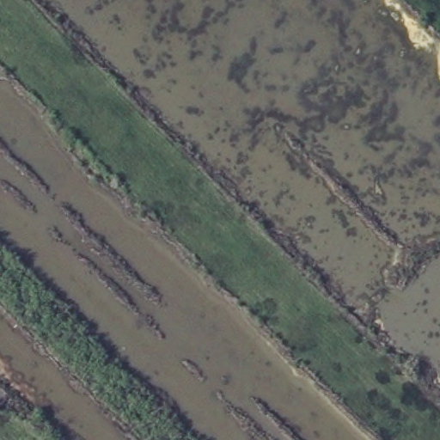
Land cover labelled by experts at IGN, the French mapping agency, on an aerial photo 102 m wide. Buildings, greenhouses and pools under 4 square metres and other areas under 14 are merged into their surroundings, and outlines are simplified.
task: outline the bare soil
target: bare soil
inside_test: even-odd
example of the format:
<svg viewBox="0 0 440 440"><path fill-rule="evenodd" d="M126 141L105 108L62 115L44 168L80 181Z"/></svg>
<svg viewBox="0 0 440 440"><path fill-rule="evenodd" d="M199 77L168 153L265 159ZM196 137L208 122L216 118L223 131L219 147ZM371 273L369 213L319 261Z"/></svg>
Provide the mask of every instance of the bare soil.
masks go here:
<svg viewBox="0 0 440 440"><path fill-rule="evenodd" d="M48 399L48 395L41 392L34 383L34 376L26 378L24 371L12 368L9 371L5 363L0 364L0 375L9 380L10 387L19 390L31 402L29 407L33 411L40 411L43 406L52 406L52 400Z"/></svg>
<svg viewBox="0 0 440 440"><path fill-rule="evenodd" d="M162 112L155 105L148 103L153 98L151 89L132 84L132 72L122 76L108 60L100 65L117 79L122 88L129 89L137 107L148 113L158 124L162 120Z"/></svg>
<svg viewBox="0 0 440 440"><path fill-rule="evenodd" d="M395 7L392 10L392 19L404 21L406 24L412 45L426 46L437 43L440 46L440 40L430 36L426 33L425 27L419 26L418 21L409 17L406 7L399 0L385 0L388 7Z"/></svg>

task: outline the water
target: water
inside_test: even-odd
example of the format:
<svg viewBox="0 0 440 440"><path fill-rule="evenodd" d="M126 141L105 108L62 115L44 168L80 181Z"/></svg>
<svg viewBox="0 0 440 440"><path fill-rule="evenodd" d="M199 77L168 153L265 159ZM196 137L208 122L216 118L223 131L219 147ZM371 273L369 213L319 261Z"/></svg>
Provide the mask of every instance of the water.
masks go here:
<svg viewBox="0 0 440 440"><path fill-rule="evenodd" d="M24 337L21 330L15 328L0 311L0 364L5 363L9 371L12 368L24 371L26 378L34 376L34 383L41 392L48 395L48 399L52 400L52 406L43 406L40 411L41 416L52 428L53 438L57 440L131 440L125 437L112 419L108 419L101 412L100 407L96 406L88 394L77 390L43 352L34 347L33 340Z"/></svg>
<svg viewBox="0 0 440 440"><path fill-rule="evenodd" d="M139 222L132 213L125 211L115 192L108 191L107 187L91 184L74 167L70 156L46 127L45 120L38 110L26 98L17 95L17 91L9 82L0 79L0 148L7 151L12 160L38 179L38 184L31 186L0 156L0 180L14 187L15 191L24 192L29 201L38 206L38 213L31 213L15 205L9 194L0 191L0 247L5 247L15 260L33 273L33 277L40 282L43 289L69 304L70 313L84 327L86 335L93 337L96 344L100 345L105 364L112 364L115 368L124 370L127 375L134 376L137 382L150 388L151 402L155 406L168 407L168 418L172 419L172 426L179 431L182 430L180 440L249 440L241 426L227 414L232 407L241 412L244 418L249 419L254 428L268 440L368 440L313 388L304 376L294 375L289 364L285 363L284 357L280 357L272 345L266 342L265 337L254 330L251 323L244 320L244 316L225 297L217 294L210 285L206 285L198 273L192 272L174 247L153 234L146 223ZM158 296L158 302L151 304L144 299L139 290L125 284L124 280L120 280L120 284L124 285L136 299L136 302L132 302L131 308L136 313L150 316L162 333L160 337L155 337L148 328L144 328L131 311L125 311L119 302L110 296L110 292L82 268L82 260L86 260L93 268L103 266L103 270L107 270L112 277L115 277L115 273L100 256L96 256L82 242L76 230L72 229L64 217L55 210L55 206L60 203L69 210L69 215L76 215L81 227L88 230L101 246L107 247L108 251L120 260L125 270L137 278L137 282L148 285L155 292L155 296Z"/></svg>
<svg viewBox="0 0 440 440"><path fill-rule="evenodd" d="M390 345L394 345L400 354L409 352L409 359L418 361L421 356L428 357L433 370L437 371L435 382L440 383L440 247L431 256L430 263L421 265L419 272L412 270L414 261L407 249L423 246L433 239L440 241L440 46L437 43L426 46L412 45L406 24L404 21L392 19L392 10L395 7L388 7L385 0L50 0L50 3L57 2L65 14L81 27L89 40L95 43L98 48L95 55L100 65L108 60L122 76L132 72L132 84L151 89L153 98L148 103L155 105L162 112L162 120L158 124L162 131L167 132L170 139L180 143L186 134L191 134L192 139L198 143L199 150L208 158L203 167L206 174L218 182L223 191L234 191L235 199L251 213L251 218L261 222L266 234L272 237L275 244L290 256L299 268L309 270L315 277L320 278L323 292L345 309L354 306L359 315L368 313L370 309L375 311L376 325L380 330L387 330L387 339L392 340ZM404 247L399 254L387 244L383 244L364 225L363 220L333 194L327 182L309 168L313 162L323 168L342 189L349 192L352 201L363 211L364 218L370 218L378 229L382 229L390 237L390 241Z"/></svg>

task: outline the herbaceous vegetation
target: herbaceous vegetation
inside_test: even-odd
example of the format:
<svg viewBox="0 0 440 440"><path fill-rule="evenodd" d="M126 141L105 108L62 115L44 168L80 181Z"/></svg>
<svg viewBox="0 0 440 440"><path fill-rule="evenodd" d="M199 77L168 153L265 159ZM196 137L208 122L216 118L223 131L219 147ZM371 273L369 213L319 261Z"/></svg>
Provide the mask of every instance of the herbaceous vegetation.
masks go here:
<svg viewBox="0 0 440 440"><path fill-rule="evenodd" d="M419 26L425 27L426 33L430 36L440 40L440 0L399 0L406 7L409 17L418 21Z"/></svg>
<svg viewBox="0 0 440 440"><path fill-rule="evenodd" d="M407 249L414 261L412 270L419 272L421 265L430 263L431 256L440 247L440 241L433 239L423 246Z"/></svg>
<svg viewBox="0 0 440 440"><path fill-rule="evenodd" d="M95 55L88 43L84 43L79 36L65 31L50 12L46 12L38 5L40 0L0 0L0 79L9 82L17 91L17 95L26 98L38 110L45 120L46 127L70 156L74 167L91 184L107 187L108 191L115 192L125 211L132 213L139 222L146 223L153 234L174 247L192 272L198 273L206 285L210 285L217 294L225 297L244 316L244 320L251 323L254 330L265 337L266 342L272 345L280 357L284 357L285 363L289 364L294 375L304 376L313 388L368 440L440 440L440 400L437 392L428 387L421 378L414 383L407 383L400 368L390 368L390 354L385 351L385 347L380 344L378 347L371 347L368 342L363 342L363 333L357 330L356 320L345 309L323 292L320 278L315 277L309 270L299 268L290 256L275 244L272 237L266 234L261 222L251 218L251 213L235 199L234 191L223 191L218 182L206 174L203 167L191 160L191 156L180 143L170 139L167 132L162 131L158 124L148 113L137 107L129 89L122 88L117 79L100 65ZM132 205L122 187L125 180L129 180L134 189L134 196L144 199L150 206L158 206L163 222L146 220L141 205ZM277 339L270 339L265 325L260 323L258 318L254 318L246 308L241 308L235 297L230 296L227 290L218 287L217 282L220 280L230 290L234 290L237 296L242 297L251 308L263 311L268 316L268 325L284 333L287 340L296 345L296 352L289 356L289 349L285 345L280 344Z"/></svg>
<svg viewBox="0 0 440 440"><path fill-rule="evenodd" d="M363 211L352 201L349 192L342 189L323 168L313 162L309 168L327 182L333 194L363 220L364 225L383 244L387 244L399 254L404 247L390 241L390 237L382 229L378 229L370 218L364 218Z"/></svg>
<svg viewBox="0 0 440 440"><path fill-rule="evenodd" d="M26 431L15 430L9 421L12 412L0 411L0 440L34 440L33 435L27 435Z"/></svg>
<svg viewBox="0 0 440 440"><path fill-rule="evenodd" d="M151 402L134 397L129 392L127 375L124 370L115 368L112 364L105 364L100 345L96 344L93 337L86 335L84 327L70 313L69 304L43 289L40 282L33 277L33 273L15 260L5 247L0 247L0 311L15 328L21 330L24 337L33 340L34 347L43 352L77 390L88 394L96 406L100 407L101 412L108 419L112 419L125 437L131 440L180 440L182 430L179 431L172 426L172 419L168 418L168 407L155 406Z"/></svg>

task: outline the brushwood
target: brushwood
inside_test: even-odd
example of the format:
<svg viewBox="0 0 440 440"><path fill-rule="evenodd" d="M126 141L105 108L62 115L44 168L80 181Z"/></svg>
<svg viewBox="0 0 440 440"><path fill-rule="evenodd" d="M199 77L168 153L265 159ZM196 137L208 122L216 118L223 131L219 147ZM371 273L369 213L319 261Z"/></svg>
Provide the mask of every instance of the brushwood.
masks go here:
<svg viewBox="0 0 440 440"><path fill-rule="evenodd" d="M0 411L12 412L9 421L15 430L26 431L27 435L33 435L34 440L57 440L53 438L52 428L41 416L40 411L33 411L29 407L31 402L19 390L10 387L9 380L0 375Z"/></svg>
<svg viewBox="0 0 440 440"><path fill-rule="evenodd" d="M235 297L241 308L246 308L254 318L258 318L260 323L265 325L270 339L277 339L280 344L285 345L289 349L289 356L296 352L296 345L287 340L284 333L268 325L268 316L263 311L251 308L242 297L237 296L234 290L230 290L220 280L217 282L218 287L227 290L230 296Z"/></svg>
<svg viewBox="0 0 440 440"><path fill-rule="evenodd" d="M0 148L0 156L31 186L38 184L38 179L12 160L7 151Z"/></svg>
<svg viewBox="0 0 440 440"><path fill-rule="evenodd" d="M400 354L394 345L390 345L392 340L387 339L387 330L380 330L376 325L375 311L370 309L368 313L359 315L354 306L345 309L356 320L357 330L363 333L363 342L368 342L371 347L378 347L380 344L385 347L385 351L390 354L390 368L400 368L407 383L414 383L421 378L428 387L437 392L440 400L440 383L435 382L437 371L433 370L428 357L421 356L418 361L409 359L409 352Z"/></svg>
<svg viewBox="0 0 440 440"><path fill-rule="evenodd" d="M180 143L191 156L191 160L203 167L208 158L199 150L198 143L192 139L191 134L186 134Z"/></svg>
<svg viewBox="0 0 440 440"><path fill-rule="evenodd" d="M127 375L129 392L134 397L151 402L150 388L137 382L134 376Z"/></svg>
<svg viewBox="0 0 440 440"><path fill-rule="evenodd" d="M139 290L144 299L151 304L158 302L158 296L155 296L155 292L148 285L137 282L137 278L125 270L120 260L108 251L107 247L101 246L88 230L81 227L76 215L69 215L69 210L60 203L55 206L55 210L64 217L72 229L76 230L82 242L96 256L100 256L115 273L115 277L112 277L107 270L103 270L103 266L93 268L86 260L82 260L82 268L110 292L110 296L119 302L125 311L131 311L144 328L148 328L155 337L160 337L162 333L150 316L136 313L131 308L132 302L136 302L136 299L124 285L120 284L120 280L124 280L125 284Z"/></svg>
<svg viewBox="0 0 440 440"><path fill-rule="evenodd" d="M163 222L158 206L150 206L144 199L134 196L134 189L129 180L125 180L122 187L132 205L141 205L146 220Z"/></svg>
<svg viewBox="0 0 440 440"><path fill-rule="evenodd" d="M38 5L46 12L50 12L65 31L79 36L84 43L88 43L95 55L98 48L95 43L89 40L81 27L65 14L57 2L50 3L50 0L40 0Z"/></svg>
<svg viewBox="0 0 440 440"><path fill-rule="evenodd" d="M31 213L38 213L38 206L29 201L24 192L15 191L14 187L0 180L0 191L9 194L15 205Z"/></svg>
<svg viewBox="0 0 440 440"><path fill-rule="evenodd" d="M241 426L249 440L268 440L254 428L249 419L244 418L241 412L232 407L227 414Z"/></svg>

